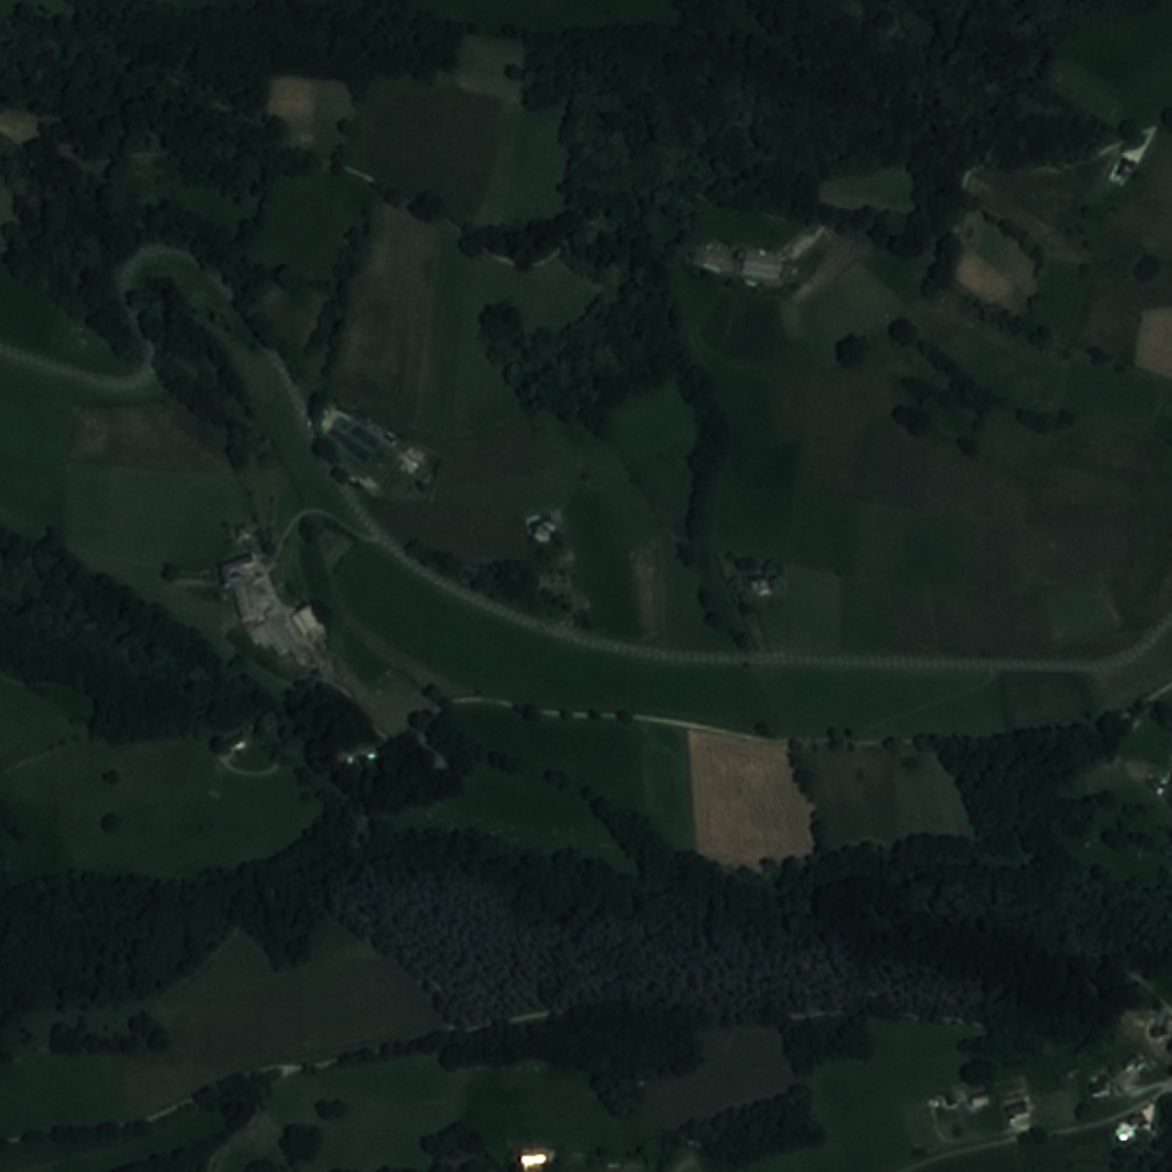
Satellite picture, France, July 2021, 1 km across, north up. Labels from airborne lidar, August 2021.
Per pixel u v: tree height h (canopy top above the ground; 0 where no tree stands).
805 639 0
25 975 19
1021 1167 0
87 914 21
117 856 0
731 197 20
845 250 0
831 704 0
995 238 0
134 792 0
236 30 22
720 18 10
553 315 0
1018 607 0
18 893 20
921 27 25
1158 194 0
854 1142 0
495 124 0
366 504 0
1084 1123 13
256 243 18
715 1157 18
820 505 0
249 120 20
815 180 20
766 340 0
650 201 21
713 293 0
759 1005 16
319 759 23
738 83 17
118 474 0
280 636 0
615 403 13
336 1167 0
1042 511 0
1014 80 11
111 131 26
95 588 19
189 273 0
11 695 0
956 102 25
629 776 0
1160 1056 0
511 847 6
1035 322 9
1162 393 0
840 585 0
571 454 0
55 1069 0
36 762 0
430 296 0
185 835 0
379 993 0
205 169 16
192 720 19
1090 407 0
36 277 16
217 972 0
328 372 11
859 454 0
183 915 7
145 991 16
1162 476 0
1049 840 27
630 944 27
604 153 21
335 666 0
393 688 0
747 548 0
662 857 21
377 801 19
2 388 0
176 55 25
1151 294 0
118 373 0
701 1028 19
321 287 11
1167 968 15
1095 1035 23
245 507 0
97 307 23
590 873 26
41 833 0
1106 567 0
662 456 0
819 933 23
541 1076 0
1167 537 0
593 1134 0
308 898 14
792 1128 21
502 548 0
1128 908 19
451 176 0
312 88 0
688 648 0
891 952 29
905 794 0
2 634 25
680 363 22
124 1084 0
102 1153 0
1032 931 25
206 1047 0
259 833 0
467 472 0
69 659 23
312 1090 0
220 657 13
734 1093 0
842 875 25
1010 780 30
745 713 0
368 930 20
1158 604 0
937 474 0
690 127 22
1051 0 22
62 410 0
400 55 14
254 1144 0
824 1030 10
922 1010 17
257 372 0
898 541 0
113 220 22
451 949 22
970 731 0
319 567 0
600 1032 20
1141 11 17
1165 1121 10
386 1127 0
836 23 20
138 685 24
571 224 22
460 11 0
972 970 25
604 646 0
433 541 0
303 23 22
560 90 20
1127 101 0
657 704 0
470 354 0
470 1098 0
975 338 0
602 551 0
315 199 0
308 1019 0
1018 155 19
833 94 21
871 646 0
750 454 0
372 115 0
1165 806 0
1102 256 0
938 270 18
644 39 21
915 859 22
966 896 23
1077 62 0
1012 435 0
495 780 0
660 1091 0
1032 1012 24
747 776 0
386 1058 13
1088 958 21
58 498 0
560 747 0
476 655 0
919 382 9
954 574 0
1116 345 0
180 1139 0
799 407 0
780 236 0
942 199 20
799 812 0
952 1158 0
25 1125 0
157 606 11
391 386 0
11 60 19
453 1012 22
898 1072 0
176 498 0
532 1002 17
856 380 0
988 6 27
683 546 11
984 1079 23
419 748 12
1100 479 0
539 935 26
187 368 20
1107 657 0
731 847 0
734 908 30
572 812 0
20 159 16
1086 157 17
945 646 0
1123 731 21
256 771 0
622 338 22
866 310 0
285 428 0
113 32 23
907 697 0
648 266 25
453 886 25
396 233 0
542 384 28
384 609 0
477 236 13
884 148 22
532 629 0
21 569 22
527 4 0
